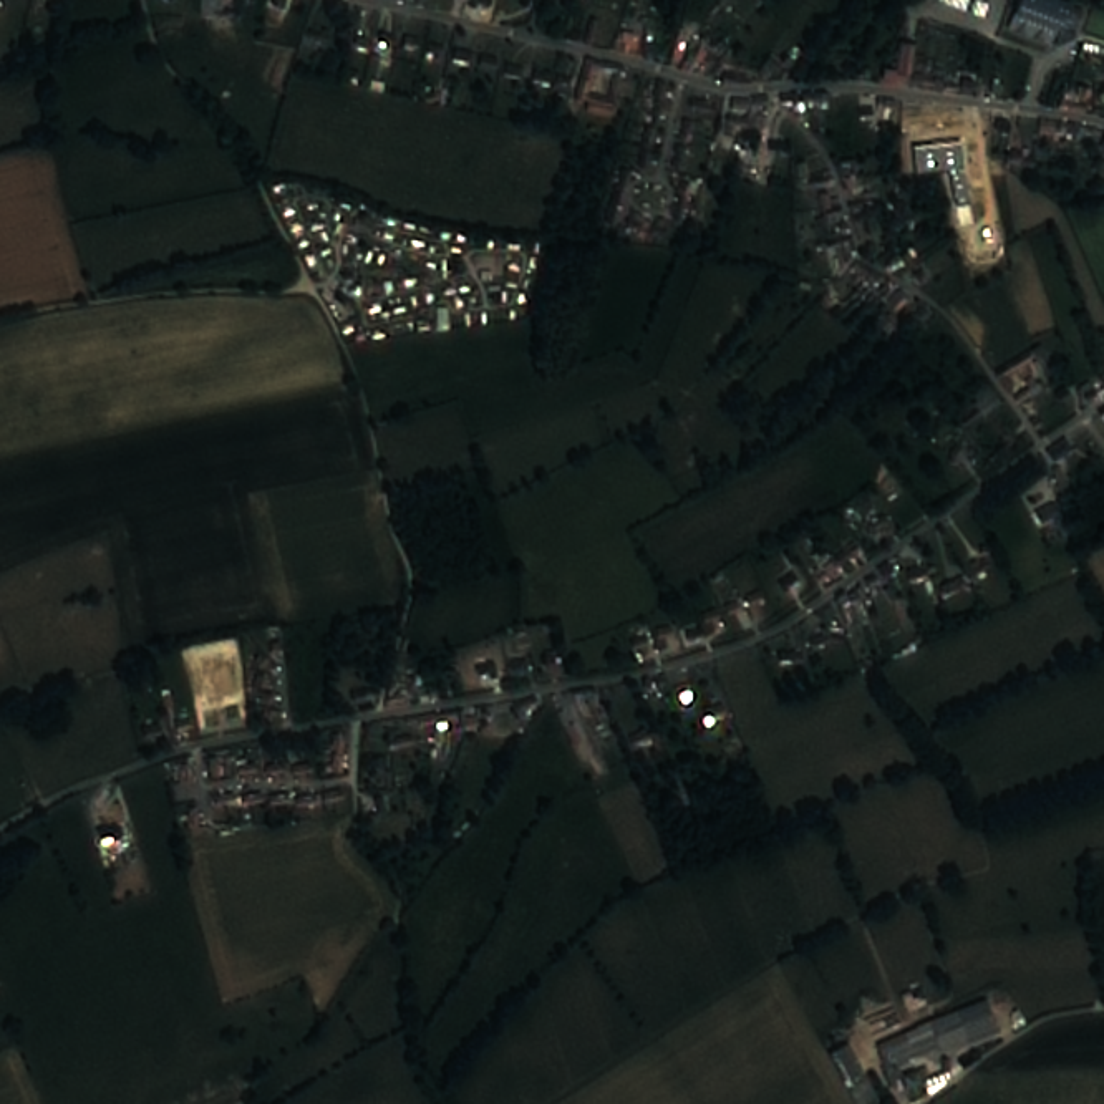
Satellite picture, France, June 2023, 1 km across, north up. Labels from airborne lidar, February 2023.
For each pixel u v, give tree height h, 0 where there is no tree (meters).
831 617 0
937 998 0
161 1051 0
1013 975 0
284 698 0
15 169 0
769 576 0
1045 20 0
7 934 0
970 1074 0
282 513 0
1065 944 0
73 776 0
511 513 0
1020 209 0
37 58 21
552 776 0
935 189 15
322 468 0
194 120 0
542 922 0
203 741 0
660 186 0
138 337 0
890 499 0
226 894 0
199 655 0
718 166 0
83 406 0
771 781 0
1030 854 0
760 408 8
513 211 0
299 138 0
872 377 19
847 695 0
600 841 0
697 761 15
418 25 0
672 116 0
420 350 0
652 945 0
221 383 0
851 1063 0
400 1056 0
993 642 0
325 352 0
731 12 0
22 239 0
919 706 0
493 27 0
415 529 17
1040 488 0
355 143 0
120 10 0
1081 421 0
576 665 12
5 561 0
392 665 17
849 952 0
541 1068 0
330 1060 0
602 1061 0
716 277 0
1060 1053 0
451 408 0
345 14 20
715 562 0
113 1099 0
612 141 14
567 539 0
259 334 0
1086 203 16
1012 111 0
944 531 10
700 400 0
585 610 0
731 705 0
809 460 0
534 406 0
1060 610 0
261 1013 0
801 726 0
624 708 0
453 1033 0
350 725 0
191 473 0
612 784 0
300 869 0
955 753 0
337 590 0
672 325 0
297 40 0
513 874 7
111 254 0
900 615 0
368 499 0
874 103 0
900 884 0
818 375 20
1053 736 0
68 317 0
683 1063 0
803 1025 0
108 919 0
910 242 11
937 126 0
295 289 0
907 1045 0
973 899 0
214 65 0
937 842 0
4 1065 0
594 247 25
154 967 0
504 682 7
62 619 0
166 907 0
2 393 0
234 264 0
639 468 0
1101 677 0
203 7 0
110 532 0
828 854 0
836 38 18
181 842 17
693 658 0
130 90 0
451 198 0
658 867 0
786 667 0
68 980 0
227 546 0
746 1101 0
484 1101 0
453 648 19
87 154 0
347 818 0
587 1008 0
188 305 0
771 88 0
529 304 13
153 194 0
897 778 12
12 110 0
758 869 0
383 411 0
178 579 0
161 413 0
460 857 0
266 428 0
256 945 0
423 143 0
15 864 20
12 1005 0
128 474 0
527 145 0
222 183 0
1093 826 0
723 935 0
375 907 0
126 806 0
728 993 0
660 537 0
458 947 0
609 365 0
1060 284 0
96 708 0
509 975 0
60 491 0
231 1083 0
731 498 0
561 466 0
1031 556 0
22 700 20
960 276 0
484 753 0
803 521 8
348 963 0
